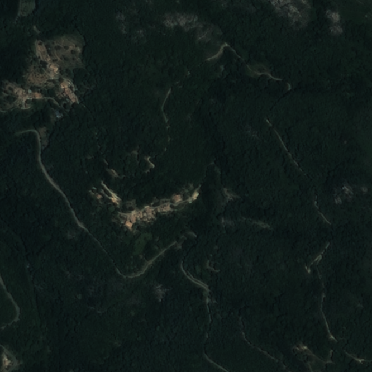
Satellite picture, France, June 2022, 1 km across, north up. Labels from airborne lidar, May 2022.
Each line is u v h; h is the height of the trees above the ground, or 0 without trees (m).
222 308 8
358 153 6
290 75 16
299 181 20
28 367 11
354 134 7
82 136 15
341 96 10
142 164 16
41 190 17
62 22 9
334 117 15
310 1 8
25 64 13
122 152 15
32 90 13
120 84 17
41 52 0
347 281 7
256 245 13
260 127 10
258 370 19
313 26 8
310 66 21
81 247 11
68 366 17
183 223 16
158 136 14
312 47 15
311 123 8
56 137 16
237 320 14
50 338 12
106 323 17
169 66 6
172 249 8
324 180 14
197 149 15
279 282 17
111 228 7
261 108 15
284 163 11
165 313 18
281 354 13
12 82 10
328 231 16
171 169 10
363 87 12
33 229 21
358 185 8
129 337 23
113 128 16
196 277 11
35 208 20
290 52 18
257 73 0
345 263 9
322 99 19
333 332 8
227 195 8
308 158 14
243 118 11
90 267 12
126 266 13
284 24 9
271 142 10
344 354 19
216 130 12
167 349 15
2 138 18
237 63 10
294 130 17
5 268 14
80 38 0
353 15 0
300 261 11
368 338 20
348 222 8
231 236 12
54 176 11
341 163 18
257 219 8
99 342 19
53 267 19
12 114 18
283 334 9
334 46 19
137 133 8
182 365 18
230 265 10
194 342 15
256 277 12
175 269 10
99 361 21
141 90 13
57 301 21
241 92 17
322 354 13
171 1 8
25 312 16
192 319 18
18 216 21
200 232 15
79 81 13
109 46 15
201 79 18
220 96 10
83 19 19
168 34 11
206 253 12
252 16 13
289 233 22
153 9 10
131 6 8
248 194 13
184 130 15
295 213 15
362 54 9
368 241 8
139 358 15
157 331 26
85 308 17
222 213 12
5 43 18
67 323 16
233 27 17
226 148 17
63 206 13
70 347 21
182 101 12
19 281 13
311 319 7
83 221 8
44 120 12
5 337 19
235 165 13
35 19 13
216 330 11
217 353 17
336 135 8
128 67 14
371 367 20
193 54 17
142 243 19
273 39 19
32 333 18
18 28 15
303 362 10
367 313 12
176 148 14
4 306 9
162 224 16
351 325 8
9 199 19
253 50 16
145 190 16
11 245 13
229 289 19
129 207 8
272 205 14
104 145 14
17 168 16
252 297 22
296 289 19
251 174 14
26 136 17
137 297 9
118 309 12
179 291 16
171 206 10
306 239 18
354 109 9
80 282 9
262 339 15
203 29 6
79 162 8
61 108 7
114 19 13
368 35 17
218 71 17
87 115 19
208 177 20
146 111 15
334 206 7
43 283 17
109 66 14
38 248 21
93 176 13
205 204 15
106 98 15
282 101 13
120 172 13
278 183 14
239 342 13
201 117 20
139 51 11
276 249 12
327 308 6
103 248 11
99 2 17
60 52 0
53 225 18
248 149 10
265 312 14
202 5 21
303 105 16
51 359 14
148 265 7
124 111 18
